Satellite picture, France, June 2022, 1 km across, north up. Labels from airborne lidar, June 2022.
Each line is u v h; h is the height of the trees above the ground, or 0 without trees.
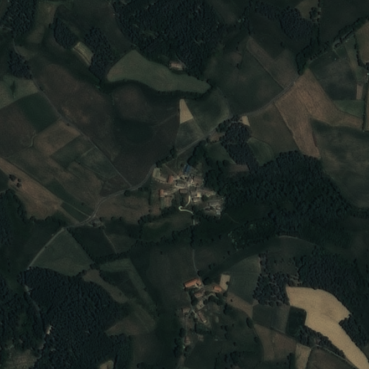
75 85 0
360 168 0
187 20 24
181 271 0
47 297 24
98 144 0
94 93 0
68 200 0
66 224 8
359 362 0
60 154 0
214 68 0
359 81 0
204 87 0
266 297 17
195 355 0
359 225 0
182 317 0
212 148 0
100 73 20
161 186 0
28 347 22
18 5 15
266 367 0
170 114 0
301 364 0
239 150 22
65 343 28
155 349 0
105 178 0
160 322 0
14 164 0
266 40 0
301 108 0
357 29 14
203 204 0
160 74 0
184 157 0
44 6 0
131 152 0
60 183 0
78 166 0
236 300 0
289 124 0
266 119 0
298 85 0
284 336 0
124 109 0
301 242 0
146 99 0
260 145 0
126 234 0
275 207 0
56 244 0
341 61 0
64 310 33
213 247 0
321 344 9
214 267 10
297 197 26
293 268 0
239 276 0
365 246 0
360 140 0
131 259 0
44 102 0
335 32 0
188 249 0
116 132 0
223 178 23
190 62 14
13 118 0
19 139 0
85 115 0
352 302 19
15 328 16
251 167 14
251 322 17
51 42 0
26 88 0
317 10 14
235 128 10
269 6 16
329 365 0
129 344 23
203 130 0
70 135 0
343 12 0
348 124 0
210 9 18
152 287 0
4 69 0
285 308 0
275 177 26
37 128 0
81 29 0
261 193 28
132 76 0
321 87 0
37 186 0
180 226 0
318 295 0
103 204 0
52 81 0
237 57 0
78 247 0
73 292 32
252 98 0
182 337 20
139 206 0
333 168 0
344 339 0
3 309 32
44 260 0
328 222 21
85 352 28
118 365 21
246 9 13
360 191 0
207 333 7
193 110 0
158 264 0
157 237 0
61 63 0
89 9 0
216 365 9
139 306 0
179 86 0
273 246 0
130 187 0
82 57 0
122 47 0
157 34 10
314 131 0
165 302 0
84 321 28
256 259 0
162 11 19
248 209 0
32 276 32
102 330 21
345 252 0
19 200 11
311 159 17
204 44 14
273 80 0
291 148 0
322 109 0
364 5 0
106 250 0
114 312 17
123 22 13
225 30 20
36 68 0
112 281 9
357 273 22
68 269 0
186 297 0
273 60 0
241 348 0
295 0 0
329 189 8
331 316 0
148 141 0
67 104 0
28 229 0
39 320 26
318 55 11
